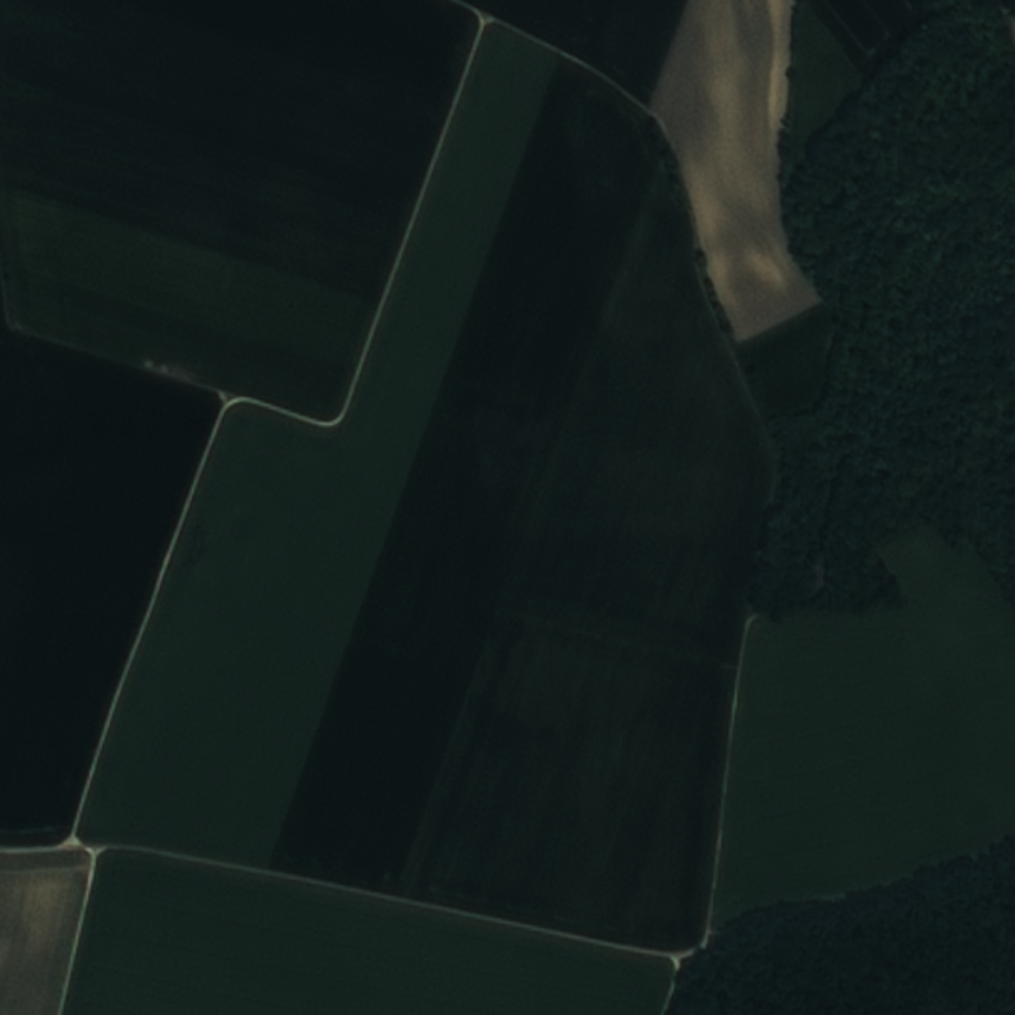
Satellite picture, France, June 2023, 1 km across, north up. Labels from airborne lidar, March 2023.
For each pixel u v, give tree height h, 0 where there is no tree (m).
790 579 24
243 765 0
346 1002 0
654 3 0
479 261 0
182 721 0
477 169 0
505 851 0
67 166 0
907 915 27
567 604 0
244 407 0
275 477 0
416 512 0
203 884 0
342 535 0
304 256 0
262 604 0
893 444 18
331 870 0
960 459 20
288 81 0
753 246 0
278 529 0
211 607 0
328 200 0
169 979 0
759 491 0
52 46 0
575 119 0
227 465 0
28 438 0
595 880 0
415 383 0
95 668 0
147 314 0
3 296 0
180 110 0
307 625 0
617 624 0
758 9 0
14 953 0
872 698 0
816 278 13
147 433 0
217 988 0
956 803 0
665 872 0
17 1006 0
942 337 17
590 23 0
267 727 0
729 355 0
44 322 0
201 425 0
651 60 0
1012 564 15
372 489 0
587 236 0
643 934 0
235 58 0
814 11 0
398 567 0
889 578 15
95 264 0
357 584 0
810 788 0
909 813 0
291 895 0
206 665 0
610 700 0
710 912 0
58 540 0
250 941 0
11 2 0
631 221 0
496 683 0
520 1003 0
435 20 0
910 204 6
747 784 0
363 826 0
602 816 0
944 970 30
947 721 0
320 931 0
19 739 0
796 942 27
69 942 0
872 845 0
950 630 0
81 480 0
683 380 0
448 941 0
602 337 0
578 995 0
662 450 0
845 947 28
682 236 0
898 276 12
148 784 0
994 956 28
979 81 23
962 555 0
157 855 0
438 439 0
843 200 28
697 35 0
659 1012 0
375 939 0
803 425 6
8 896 0
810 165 6
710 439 0
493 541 0
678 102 0
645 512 0
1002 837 0
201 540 0
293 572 0
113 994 0
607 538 0
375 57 0
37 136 0
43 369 0
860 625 0
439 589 0
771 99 0
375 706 0
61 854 0
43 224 0
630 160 0
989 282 6
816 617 0
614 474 0
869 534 9
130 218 0
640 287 0
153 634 0
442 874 0
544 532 0
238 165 0
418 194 0
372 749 0
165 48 0
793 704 0
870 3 0
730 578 0
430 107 0
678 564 0
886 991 25
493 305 0
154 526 0
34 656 0
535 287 0
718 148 0
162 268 0
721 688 0
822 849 0
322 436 0
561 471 0
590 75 0
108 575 0
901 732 0
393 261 0
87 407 0
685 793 0
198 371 0
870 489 18
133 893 0
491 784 0
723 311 9
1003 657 0
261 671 0
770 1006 25
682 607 0
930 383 19
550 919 0
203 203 0
